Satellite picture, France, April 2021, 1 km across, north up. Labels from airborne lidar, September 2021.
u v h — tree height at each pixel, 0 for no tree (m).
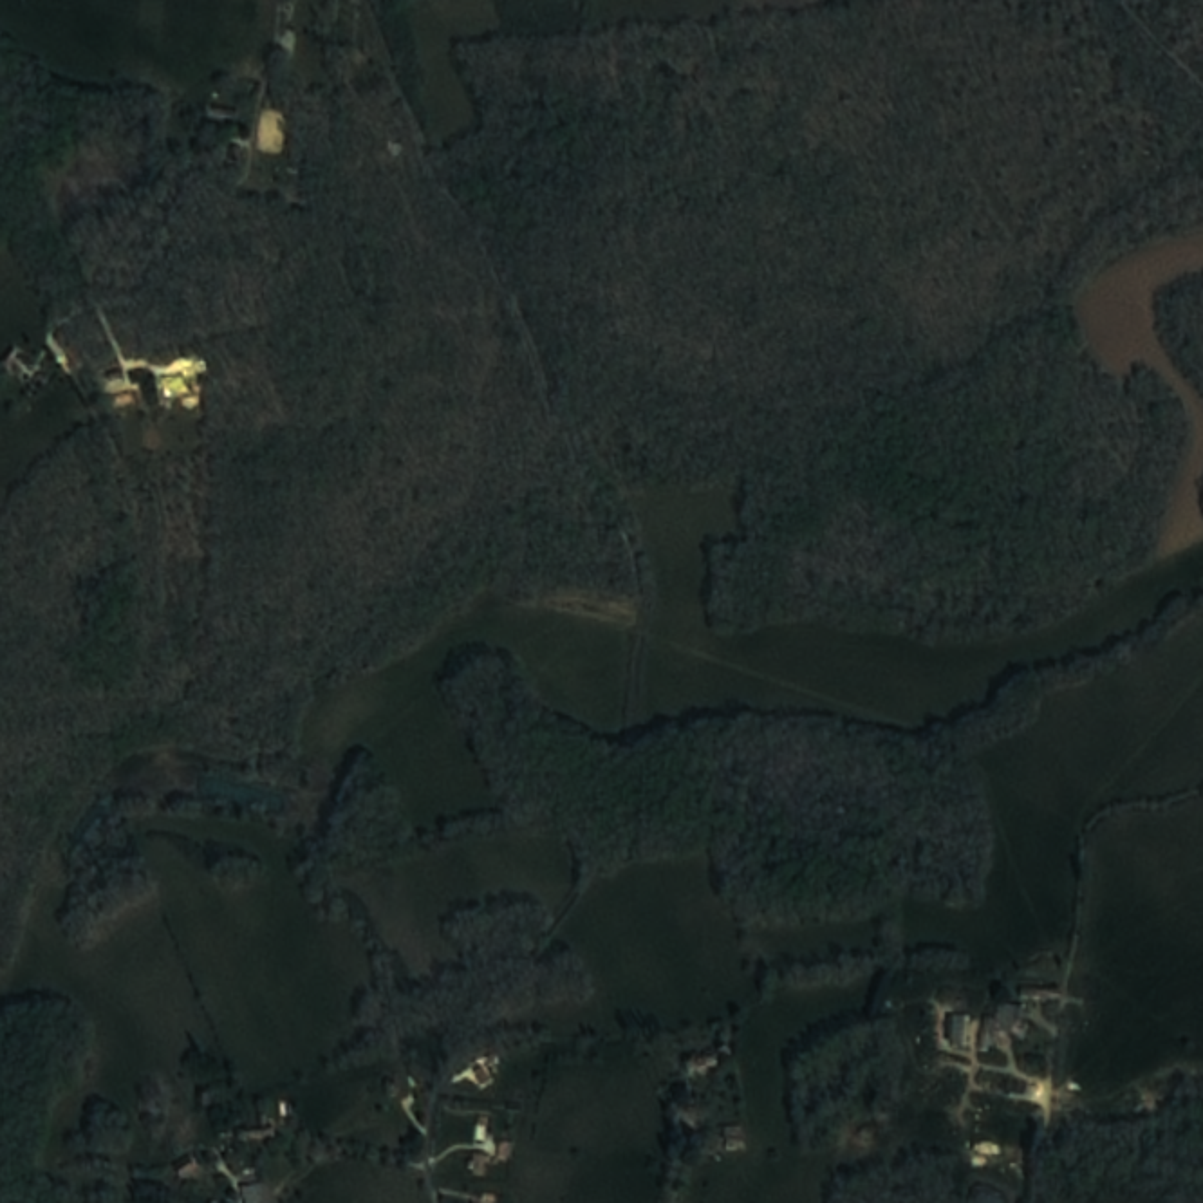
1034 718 16
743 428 17
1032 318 17
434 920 0
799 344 16
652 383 14
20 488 11
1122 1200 14
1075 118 14
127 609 19
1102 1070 0
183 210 14
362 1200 0
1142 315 0
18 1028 23
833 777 18
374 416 13
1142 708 0
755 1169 0
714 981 0
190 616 12
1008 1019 0
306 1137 9
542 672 0
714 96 13
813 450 15
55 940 0
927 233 11
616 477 17
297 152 14
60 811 19
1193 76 8
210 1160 10
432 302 16
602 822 26
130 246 17
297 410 16
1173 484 12
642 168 15
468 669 15
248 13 0
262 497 18
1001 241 12
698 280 14
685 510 0
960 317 15
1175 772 0
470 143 19
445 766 0
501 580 17
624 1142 0
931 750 19
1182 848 0
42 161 20
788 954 0
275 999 0
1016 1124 0
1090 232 6
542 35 6
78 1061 26
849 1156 0
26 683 15
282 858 0
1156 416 14
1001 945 0
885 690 0
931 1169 18
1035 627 18
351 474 16
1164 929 0
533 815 23
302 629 16
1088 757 0
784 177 13
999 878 0
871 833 20
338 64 17
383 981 13
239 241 16
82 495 10
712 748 20
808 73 18
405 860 11
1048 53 13
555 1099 0
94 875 14
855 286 16
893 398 20
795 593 23
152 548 18
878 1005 13
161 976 0
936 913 0
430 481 10
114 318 16
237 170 15
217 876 22
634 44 16
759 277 16
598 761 25
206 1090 7
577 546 16
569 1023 0
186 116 7
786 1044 0
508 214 24
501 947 15
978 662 0
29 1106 27
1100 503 14
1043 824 0
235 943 0
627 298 12
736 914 23
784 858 21
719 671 0
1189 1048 10
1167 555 0
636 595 18
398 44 5
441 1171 0
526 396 11
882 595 11
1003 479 26
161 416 10
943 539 25
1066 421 20
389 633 21
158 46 0
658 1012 0
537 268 17
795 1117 17
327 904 12
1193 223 10
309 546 18
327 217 15
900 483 24
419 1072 18
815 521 19
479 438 13
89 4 0
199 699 9
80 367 19
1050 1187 22
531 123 24
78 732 19
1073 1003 0
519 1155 0
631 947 0
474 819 10
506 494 14
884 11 16
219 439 16
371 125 16
